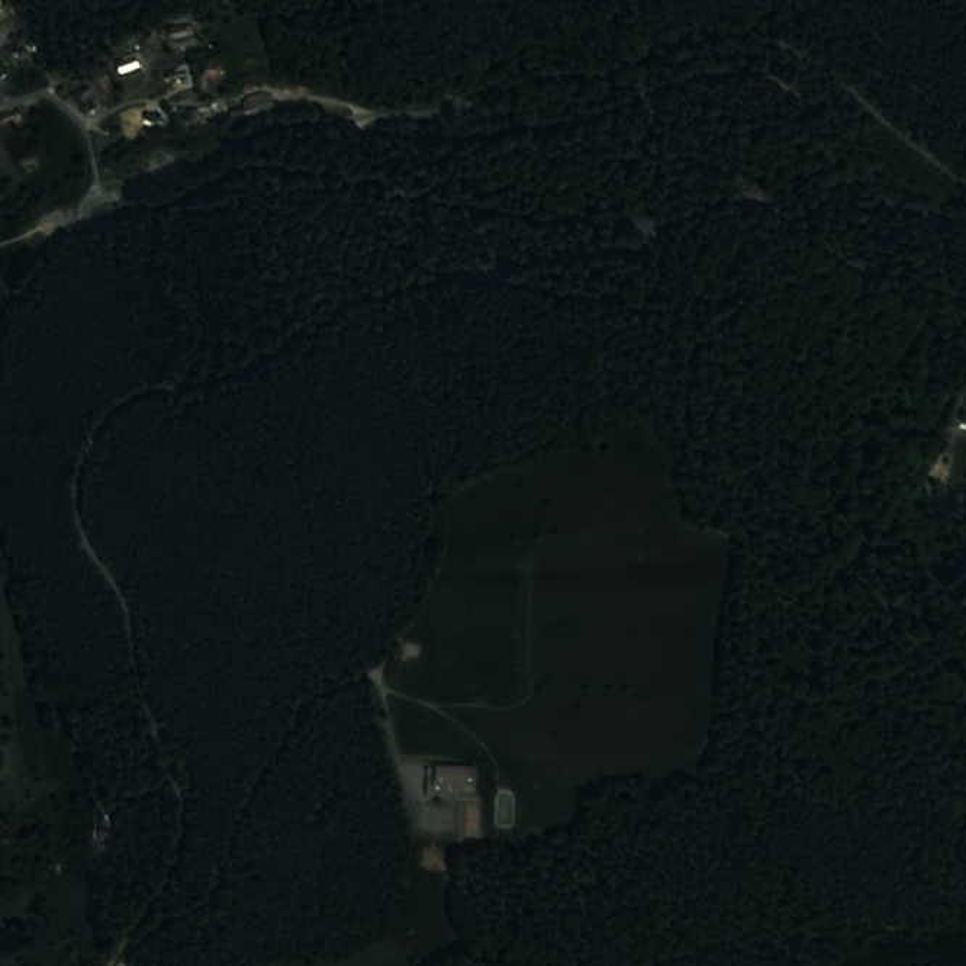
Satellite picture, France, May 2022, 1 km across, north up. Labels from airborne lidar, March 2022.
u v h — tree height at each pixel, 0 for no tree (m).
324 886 23
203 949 25
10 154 0
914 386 32
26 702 0
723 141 33
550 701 0
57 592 21
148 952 23
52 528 18
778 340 30
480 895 25
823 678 31
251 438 24
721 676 15
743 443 31
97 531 16
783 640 28
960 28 31
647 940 29
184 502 21
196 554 20
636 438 0
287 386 25
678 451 21
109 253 12
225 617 22
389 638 20
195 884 26
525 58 31
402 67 24
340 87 17
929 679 34
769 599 29
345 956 21
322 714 25
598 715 0
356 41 26
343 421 24
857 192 36
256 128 16
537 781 0
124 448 20
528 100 27
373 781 25
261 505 21
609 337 31
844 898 29
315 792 23
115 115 0
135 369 18
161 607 21
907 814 22
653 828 30
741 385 29
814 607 34
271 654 24
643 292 8
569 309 34
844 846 27
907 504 33
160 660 21
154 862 24
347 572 23
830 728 29
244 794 27
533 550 0
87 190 0
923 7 24
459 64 26
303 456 21
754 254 26
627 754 0
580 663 0
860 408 31
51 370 16
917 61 29
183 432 24
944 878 25
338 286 31
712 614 0
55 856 0
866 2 27
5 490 20
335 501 19
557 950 29
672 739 0
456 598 0
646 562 0
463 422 31
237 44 0
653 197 30
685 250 19
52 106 0
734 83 28
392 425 25
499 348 29
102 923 25
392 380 22
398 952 0
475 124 24
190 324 24
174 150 0
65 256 18
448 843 0
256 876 26
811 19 27
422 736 0
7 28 0
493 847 18
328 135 27
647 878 31
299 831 23
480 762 0
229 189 21
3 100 0
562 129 7
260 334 25
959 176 20
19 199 19
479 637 0
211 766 24
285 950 25
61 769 0
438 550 19
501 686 0
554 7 31
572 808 0
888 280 27
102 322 17
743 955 28
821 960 22
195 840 24
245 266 21
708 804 29
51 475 16
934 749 32
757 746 29
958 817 25
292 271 30
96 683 23
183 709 23
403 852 21
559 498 0
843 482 26
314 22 28
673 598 0
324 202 29
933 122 23
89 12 32
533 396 26
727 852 29
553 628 0
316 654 24
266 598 24
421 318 27
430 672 0
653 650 0
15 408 15
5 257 0
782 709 32
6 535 22
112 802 17
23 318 14
